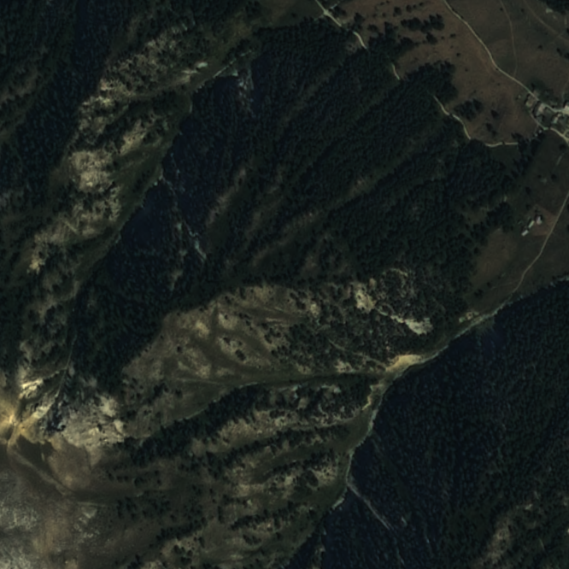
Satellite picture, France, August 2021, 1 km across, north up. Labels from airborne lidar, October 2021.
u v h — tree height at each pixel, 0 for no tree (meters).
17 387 0
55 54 20
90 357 11
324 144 20
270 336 8
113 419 0
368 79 11
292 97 15
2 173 10
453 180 17
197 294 0
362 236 15
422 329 0
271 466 0
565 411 11
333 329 14
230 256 8
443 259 22
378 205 13
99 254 0
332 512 0
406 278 10
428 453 14
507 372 15
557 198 0
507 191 21
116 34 10
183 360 0
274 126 15
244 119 16
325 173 17
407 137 16
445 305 11
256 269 0
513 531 18
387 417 7
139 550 0
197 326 0
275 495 0
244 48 16
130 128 15
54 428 0
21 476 0
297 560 6
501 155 0
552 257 0
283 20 0
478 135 0
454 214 18
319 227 0
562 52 6
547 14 0
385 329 12
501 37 0
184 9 17
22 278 6
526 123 0
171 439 15
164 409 0
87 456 0
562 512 21
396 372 0
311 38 22
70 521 0
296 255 0
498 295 0
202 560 0
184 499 0
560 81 0
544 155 0
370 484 12
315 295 14
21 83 14
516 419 18
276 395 0
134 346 10
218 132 14
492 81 0
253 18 12
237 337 0
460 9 0
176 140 0
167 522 0
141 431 0
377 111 15
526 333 16
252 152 10
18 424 0
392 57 22
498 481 20
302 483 18
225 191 14
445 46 0
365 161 13
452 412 13
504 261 0
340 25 0
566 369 19
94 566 0
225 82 6
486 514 0
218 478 16
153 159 0
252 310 0
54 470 0
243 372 0
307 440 12
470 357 13
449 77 24
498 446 9
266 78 16
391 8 0
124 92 0
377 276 13
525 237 0
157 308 8
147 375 0
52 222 12
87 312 12
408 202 14
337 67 16
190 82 0
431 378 7
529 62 0
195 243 0
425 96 19
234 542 0
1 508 0
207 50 16
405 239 17
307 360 8
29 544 0
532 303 16
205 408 0
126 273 8
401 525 10
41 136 14
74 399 6
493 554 0
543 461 16
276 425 0
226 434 0
